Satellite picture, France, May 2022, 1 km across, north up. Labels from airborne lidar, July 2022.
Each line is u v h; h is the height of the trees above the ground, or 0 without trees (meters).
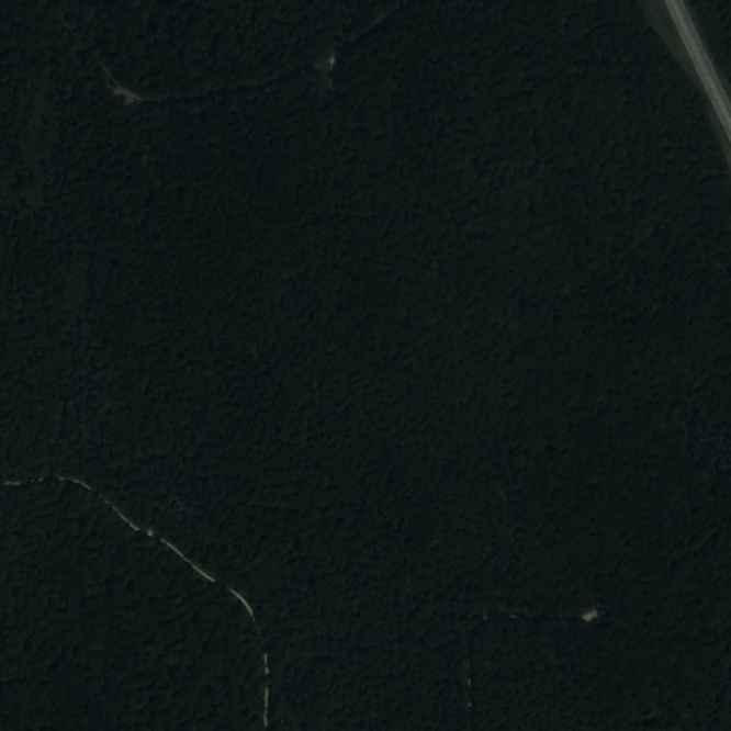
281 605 22
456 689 25
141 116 28
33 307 10
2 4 30
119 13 32
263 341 25
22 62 25
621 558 26
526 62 30
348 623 25
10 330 26
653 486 28
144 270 27
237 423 25
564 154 30
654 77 28
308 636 23
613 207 27
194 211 27
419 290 24
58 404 24
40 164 0
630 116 29
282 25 28
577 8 29
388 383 24
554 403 28
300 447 25
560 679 27
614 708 32
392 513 29
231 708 29
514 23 29
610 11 24
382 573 27
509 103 28
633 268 27
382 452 27
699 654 27
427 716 26
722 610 25
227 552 26
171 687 24
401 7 22
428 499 26
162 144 28
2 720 25
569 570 27
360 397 23
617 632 28
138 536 6
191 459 12
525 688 25
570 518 28
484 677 25
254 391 28
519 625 23
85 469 22
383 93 29
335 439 20
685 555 27
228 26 26
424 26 26
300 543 25
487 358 29
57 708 30
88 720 34
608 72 30
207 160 29
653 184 29
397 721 28
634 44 29
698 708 18
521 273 29
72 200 19
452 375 31
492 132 29
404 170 28
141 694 29
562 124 33
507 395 28
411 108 32
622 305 26
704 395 26
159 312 29
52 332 29
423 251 29
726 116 0
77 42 29
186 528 26
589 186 29
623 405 26
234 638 30
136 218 27
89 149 16
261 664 20
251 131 30
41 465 22
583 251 29
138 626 28
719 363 25
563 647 28
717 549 26
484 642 27
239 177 26
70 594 30
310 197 25
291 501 27
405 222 29
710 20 15
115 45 28
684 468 31
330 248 26
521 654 25
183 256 26
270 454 22
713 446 28
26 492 18
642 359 27
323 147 26
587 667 27
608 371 30
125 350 28
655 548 28
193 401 26
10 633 26
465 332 27
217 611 26
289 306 24
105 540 24
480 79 27
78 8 25
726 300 27
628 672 27
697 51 0
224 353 28
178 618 23
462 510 24
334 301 21
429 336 29
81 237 25
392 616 28
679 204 29
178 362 27
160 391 27
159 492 12
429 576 26
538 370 29
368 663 26
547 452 24
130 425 22
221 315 29
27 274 13
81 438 23
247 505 26
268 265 22
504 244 27
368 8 27
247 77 22
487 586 27
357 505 20
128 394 27
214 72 29
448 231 29
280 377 27
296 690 16
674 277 29
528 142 28
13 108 27
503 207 30
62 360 30
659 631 31
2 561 21
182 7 32
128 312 30
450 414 31
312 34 28
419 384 30
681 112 25
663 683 29
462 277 29
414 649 28
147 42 24
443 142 28
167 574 25
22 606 30
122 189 27
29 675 24
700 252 29
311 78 22
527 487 28
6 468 26
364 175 26
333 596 28
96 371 27
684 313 29
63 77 18
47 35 33
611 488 28
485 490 26
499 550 25
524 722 22
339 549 24
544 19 27
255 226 21
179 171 29
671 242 25
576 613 28
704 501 31
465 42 28
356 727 23
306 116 27
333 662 24
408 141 28
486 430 30
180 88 27
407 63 29
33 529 25
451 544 25
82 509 25
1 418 25
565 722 27
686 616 27
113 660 27
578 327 28
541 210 27
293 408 24
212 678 26
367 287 25
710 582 23
